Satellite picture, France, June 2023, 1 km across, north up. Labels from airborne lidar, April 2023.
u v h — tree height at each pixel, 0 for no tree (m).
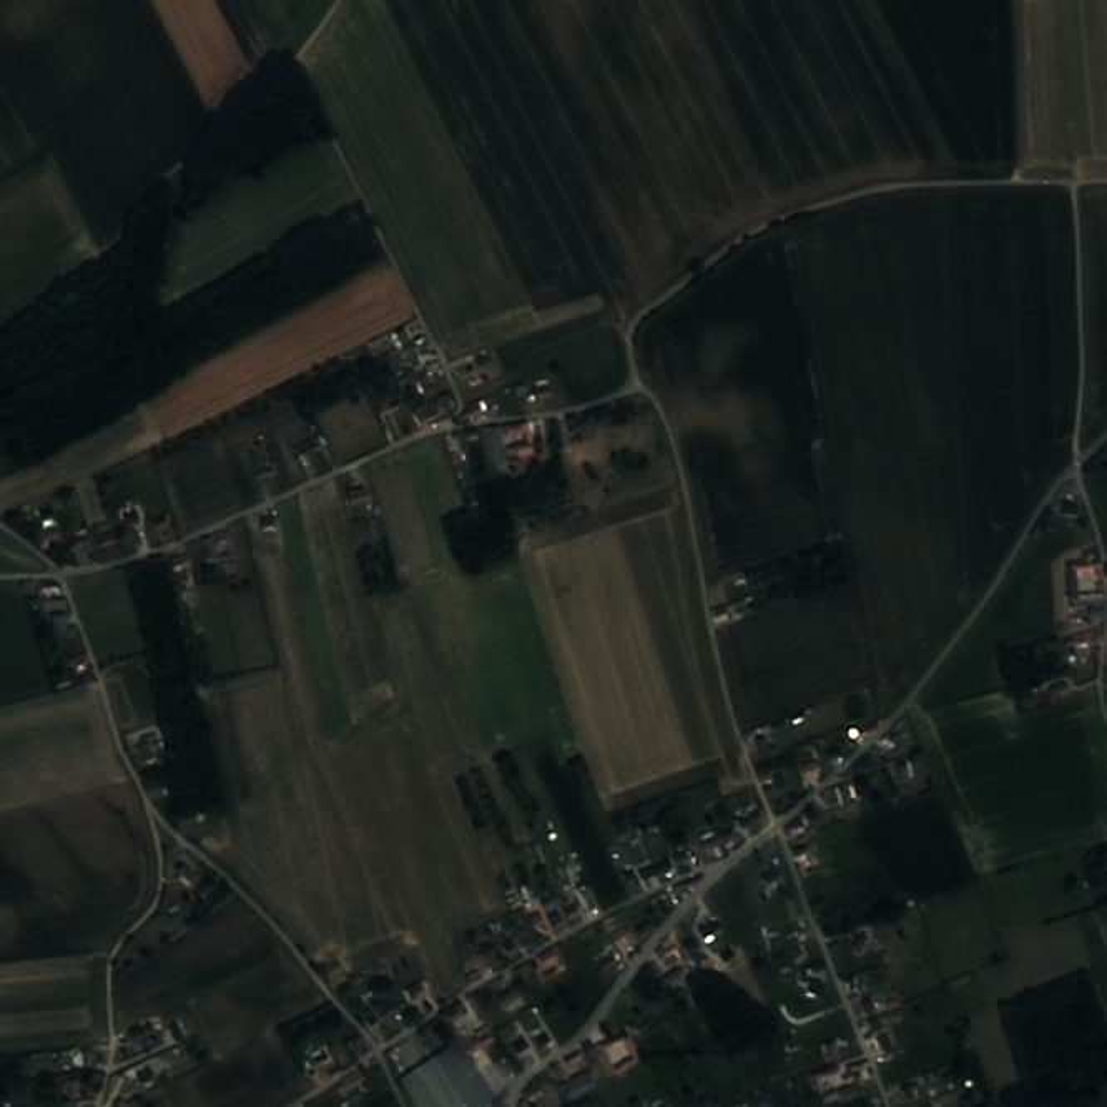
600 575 0
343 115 0
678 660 0
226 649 0
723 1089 0
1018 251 0
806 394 0
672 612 0
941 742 0
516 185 0
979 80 0
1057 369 0
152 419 0
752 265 0
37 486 0
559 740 0
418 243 0
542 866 9
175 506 0
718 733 0
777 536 0
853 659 0
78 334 19
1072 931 0
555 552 0
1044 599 0
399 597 0
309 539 0
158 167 0
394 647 0
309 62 0
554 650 0
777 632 0
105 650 0
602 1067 0
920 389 0
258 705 0
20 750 0
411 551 0
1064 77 0
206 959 0
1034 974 0
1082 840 0
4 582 0
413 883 0
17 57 0
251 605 0
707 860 0
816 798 0
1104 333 0
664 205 0
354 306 0
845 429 0
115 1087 0
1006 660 23
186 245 0
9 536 0
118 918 0
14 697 0
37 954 0
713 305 0
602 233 0
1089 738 0
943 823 0
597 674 0
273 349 0
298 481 0
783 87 0
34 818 0
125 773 0
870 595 0
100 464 0
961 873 0
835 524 0
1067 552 0
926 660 0
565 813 0
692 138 0
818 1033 0
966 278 0
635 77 0
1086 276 0
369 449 0
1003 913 0
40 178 0
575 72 0
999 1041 0
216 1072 0
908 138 0
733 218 0
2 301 0
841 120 0
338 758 0
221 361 0
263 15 0
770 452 0
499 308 0
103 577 0
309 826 0
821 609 0
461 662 0
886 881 0
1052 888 0
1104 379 0
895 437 0
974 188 0
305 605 0
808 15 0
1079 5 0
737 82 0
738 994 20
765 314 0
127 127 0
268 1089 0
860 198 0
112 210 0
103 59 0
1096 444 0
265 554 0
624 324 0
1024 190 0
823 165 0
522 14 0
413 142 0
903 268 0
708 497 0
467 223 0
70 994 0
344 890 0
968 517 0
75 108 0
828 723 0
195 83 0
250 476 0
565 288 0
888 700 0
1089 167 0
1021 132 0
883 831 0
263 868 0
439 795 0
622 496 0
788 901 0
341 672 0
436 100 0
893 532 0
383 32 0
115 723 0
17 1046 0
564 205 0
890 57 0
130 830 0
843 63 0
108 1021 0
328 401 13
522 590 0
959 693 0
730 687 0
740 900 0
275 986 0
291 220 0
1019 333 0
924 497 0
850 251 0
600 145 0
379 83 0
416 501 0
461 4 0
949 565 0
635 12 0
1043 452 0
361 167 0
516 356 0
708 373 0
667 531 0
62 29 0
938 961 0
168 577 8
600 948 0
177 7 0
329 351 0
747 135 0
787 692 0
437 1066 0
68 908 0
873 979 0
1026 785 0
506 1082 0
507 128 0
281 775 0
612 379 0
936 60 0
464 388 0
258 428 0
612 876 0
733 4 0
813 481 0
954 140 0
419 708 0
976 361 0
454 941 0
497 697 0
